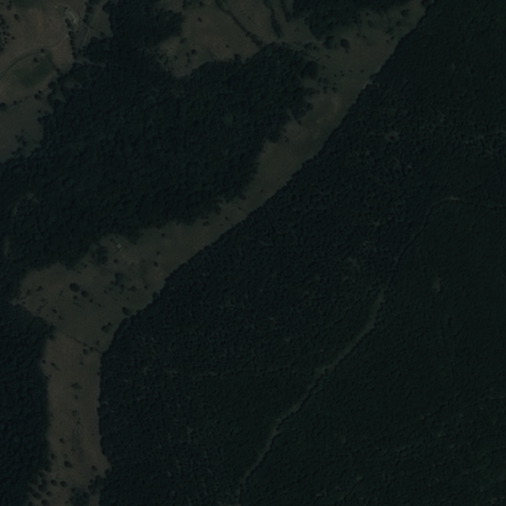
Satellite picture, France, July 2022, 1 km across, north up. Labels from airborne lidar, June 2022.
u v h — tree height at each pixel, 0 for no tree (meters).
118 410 16
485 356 10
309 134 0
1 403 32
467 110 16
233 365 12
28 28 0
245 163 17
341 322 12
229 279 16
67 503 6
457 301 12
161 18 13
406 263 11
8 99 0
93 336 0
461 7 16
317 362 13
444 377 9
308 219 17
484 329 11
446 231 9
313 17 8
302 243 15
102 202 10
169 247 0
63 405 0
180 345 14
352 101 0
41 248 10
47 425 10
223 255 19
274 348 13
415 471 11
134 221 13
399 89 11
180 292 19
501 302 11
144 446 14
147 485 15
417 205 12
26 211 12
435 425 13
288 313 11
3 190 21
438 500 12
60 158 23
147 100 18
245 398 15
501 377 10
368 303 8
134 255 0
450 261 11
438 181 10
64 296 0
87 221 15
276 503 13
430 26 16
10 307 12
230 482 14
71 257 9
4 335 26
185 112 17
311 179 18
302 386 13
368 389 11
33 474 17
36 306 0
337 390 12
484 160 18
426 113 18
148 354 11
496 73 21
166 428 14
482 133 16
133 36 16
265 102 16
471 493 10
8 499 21
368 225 14
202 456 16
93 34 0
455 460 10
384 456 8
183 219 8
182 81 10
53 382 0
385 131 13
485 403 8
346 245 9
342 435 8
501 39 16
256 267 15
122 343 17
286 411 10
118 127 17
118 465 17
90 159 20
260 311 14
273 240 15
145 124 15
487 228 10
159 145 18
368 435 11
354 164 19
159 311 17
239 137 9
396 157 15
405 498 12
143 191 8
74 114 7
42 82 0
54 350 0
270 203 16
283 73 8
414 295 12
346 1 11
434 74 19
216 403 14
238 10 0
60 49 0
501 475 9
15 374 28
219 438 14
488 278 10
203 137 14
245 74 11
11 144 0
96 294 0
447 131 14
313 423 9
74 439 0
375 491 10
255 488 13
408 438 11
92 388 0
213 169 9
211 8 0
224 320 14
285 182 0
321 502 13
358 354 11
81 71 16
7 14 0
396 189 15
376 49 0
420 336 9
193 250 0
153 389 11
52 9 0
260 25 0
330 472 8
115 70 19
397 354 11
